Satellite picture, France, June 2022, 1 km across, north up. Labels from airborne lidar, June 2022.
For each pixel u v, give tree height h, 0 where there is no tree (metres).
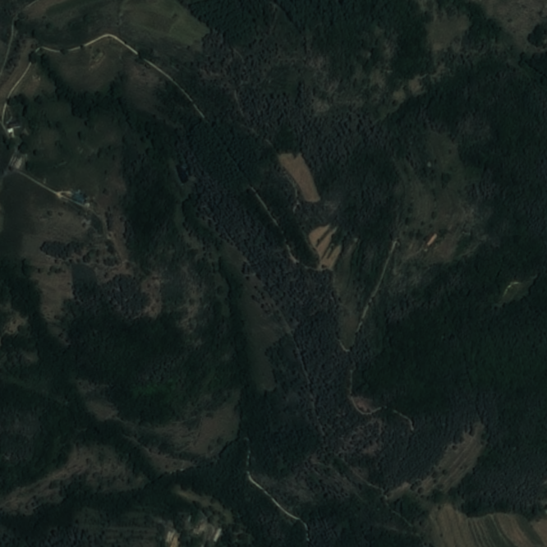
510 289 0
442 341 27
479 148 11
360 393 11
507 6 0
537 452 15
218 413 0
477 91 21
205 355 11
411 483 14
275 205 6
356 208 14
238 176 25
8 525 12
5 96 0
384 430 8
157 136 18
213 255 15
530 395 20
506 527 0
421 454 17
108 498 23
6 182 0
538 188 21
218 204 18
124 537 9
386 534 8
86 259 16
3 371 12
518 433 19
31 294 17
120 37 0
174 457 10
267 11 18
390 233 19
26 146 17
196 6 21
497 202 14
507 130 22
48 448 11
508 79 16
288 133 6
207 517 11
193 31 0
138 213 14
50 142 0
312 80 0
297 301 6
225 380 12
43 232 0
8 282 12
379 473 8
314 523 16
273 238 14
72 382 14
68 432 9
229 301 16
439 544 0
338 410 9
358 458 7
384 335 6
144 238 10
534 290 19
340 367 11
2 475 16
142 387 13
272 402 10
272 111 16
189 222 18
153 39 0
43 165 0
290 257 11
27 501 0
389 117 12
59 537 16
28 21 0
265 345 0
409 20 13
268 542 27
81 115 24
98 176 0
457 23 0
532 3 0
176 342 14
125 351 10
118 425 11
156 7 0
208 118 7
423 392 16
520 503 20
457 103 25
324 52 12
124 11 0
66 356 17
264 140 8
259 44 14
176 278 0
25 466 8
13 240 0
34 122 7
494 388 16
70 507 22
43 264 0
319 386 9
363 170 7
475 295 24
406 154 9
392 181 8
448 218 0
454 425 18
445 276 14
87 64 0
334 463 8
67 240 0
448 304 14
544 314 22
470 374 21
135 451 21
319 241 8
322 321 10
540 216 19
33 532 22
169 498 19
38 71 0
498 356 13
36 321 18
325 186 6
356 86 13
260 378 0
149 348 20
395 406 8
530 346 13
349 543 12
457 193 0
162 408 12
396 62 9
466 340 20
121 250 0
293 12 31
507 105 20
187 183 0
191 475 21
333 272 11
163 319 13
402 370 22
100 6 0
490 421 16
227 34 23
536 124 15
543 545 0
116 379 17
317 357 18
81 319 12
